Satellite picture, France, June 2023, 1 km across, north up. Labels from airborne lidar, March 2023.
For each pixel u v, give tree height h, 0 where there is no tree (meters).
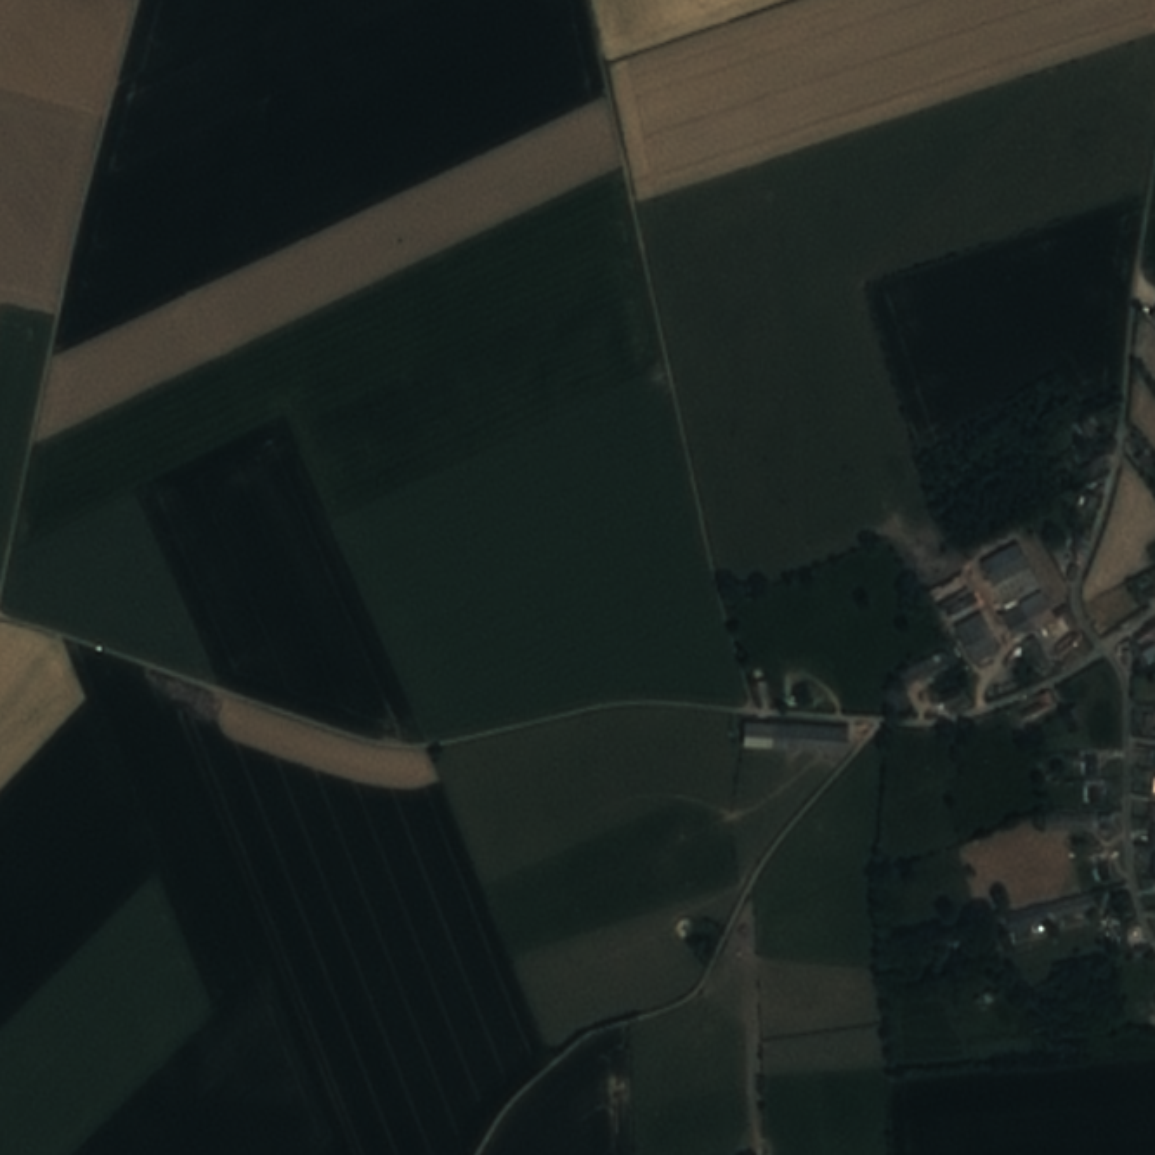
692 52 0
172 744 0
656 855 0
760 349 0
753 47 0
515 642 0
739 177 0
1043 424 11
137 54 0
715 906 0
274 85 0
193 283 0
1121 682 0
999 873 0
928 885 0
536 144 0
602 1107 0
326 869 0
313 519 0
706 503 0
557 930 0
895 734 13
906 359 0
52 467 0
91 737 0
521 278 0
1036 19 0
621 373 0
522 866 0
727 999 0
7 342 0
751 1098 0
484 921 0
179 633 0
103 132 0
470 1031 0
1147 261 0
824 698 0
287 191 0
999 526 17
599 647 0
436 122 0
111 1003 0
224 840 0
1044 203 0
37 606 0
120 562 0
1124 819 0
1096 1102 0
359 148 0
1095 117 0
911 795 0
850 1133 0
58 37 0
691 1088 0
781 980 0
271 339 0
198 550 0
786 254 0
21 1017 0
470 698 0
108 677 0
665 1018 0
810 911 0
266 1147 0
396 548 0
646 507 0
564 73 0
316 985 0
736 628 13
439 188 0
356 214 0
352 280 0
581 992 0
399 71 0
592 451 0
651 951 0
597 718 0
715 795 0
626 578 0
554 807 0
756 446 0
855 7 0
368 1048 0
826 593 0
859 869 0
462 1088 0
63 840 0
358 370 0
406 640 0
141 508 0
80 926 0
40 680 0
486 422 0
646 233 0
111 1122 0
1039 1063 15
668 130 0
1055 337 0
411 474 0
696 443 0
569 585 0
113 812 0
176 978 0
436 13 0
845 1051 0
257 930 0
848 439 0
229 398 0
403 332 0
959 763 7
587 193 0
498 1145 0
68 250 0
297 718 0
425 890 0
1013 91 0
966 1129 0
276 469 0
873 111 0
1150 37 0
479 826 0
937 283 0
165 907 0
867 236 0
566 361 0
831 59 0
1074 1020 20
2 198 0
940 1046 0
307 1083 0
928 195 0
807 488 0
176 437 0
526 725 0
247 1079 0
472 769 0
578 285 0
